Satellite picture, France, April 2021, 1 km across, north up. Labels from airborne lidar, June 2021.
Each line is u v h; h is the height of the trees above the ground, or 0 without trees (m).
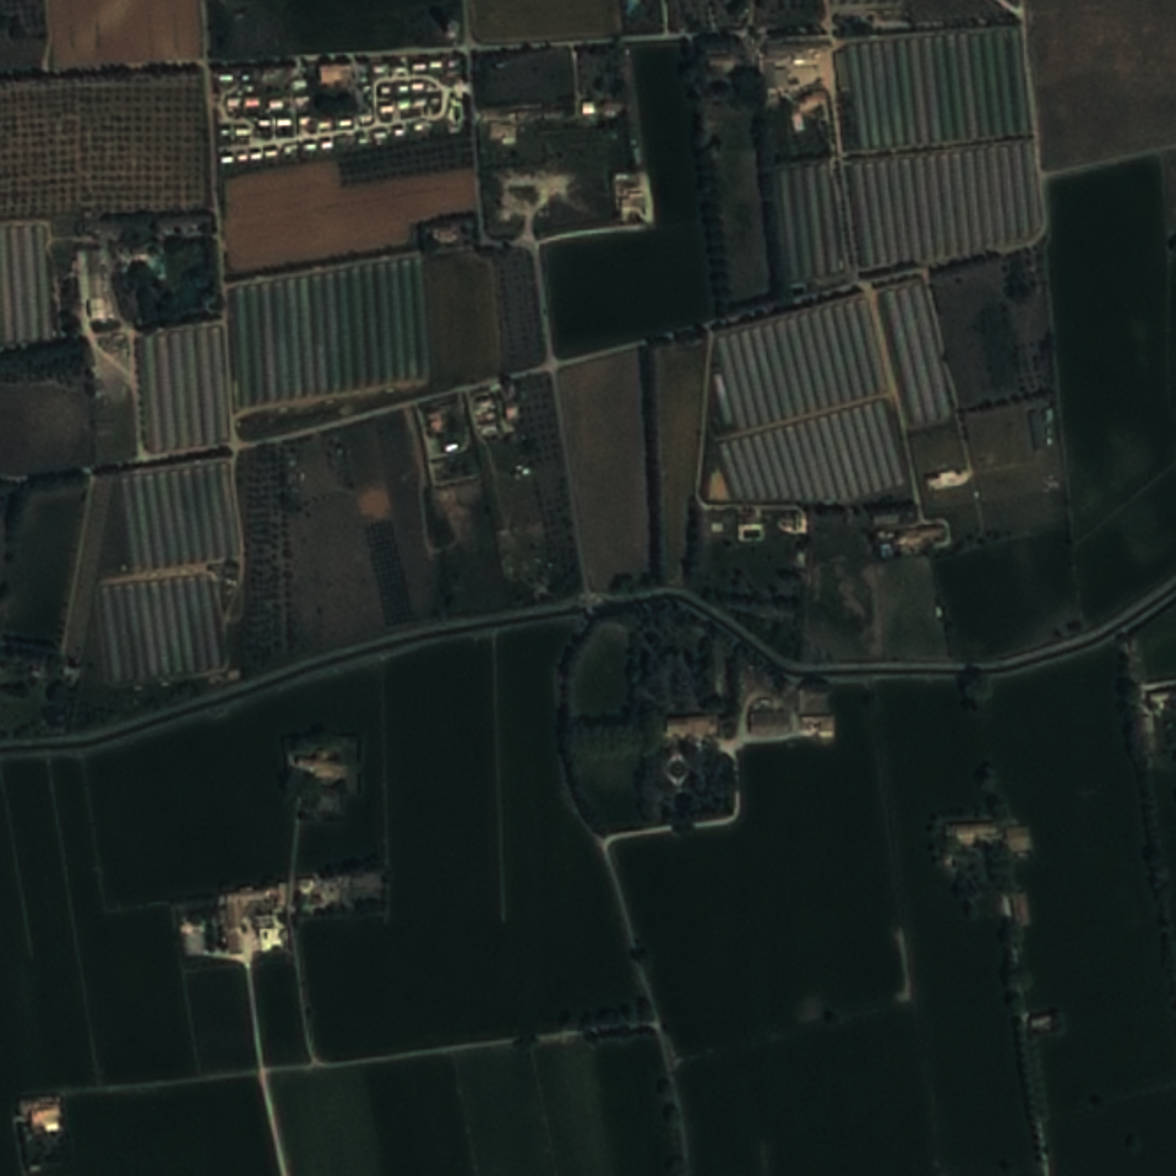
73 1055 0
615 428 0
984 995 0
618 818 0
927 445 0
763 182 11
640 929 0
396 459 0
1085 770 0
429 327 0
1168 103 0
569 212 0
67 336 9
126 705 0
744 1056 0
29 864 0
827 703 0
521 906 0
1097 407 0
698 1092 0
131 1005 0
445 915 0
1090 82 0
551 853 0
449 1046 0
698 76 11
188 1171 0
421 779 0
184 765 0
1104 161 0
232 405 0
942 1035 0
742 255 0
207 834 0
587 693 0
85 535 0
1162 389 0
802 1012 0
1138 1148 11
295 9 0
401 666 0
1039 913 0
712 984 0
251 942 0
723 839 0
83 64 0
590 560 0
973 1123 0
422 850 0
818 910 0
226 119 0
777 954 0
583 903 0
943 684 0
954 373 0
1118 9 0
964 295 0
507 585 0
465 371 0
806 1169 0
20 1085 0
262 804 0
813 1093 0
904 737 0
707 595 12
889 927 0
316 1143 0
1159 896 11
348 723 0
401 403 0
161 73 11
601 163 0
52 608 0
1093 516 0
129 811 0
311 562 0
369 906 10
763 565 0
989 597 0
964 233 0
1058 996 0
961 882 12
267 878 7
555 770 0
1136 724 14
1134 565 0
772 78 0
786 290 13
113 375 0
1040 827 0
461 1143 0
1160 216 0
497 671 0
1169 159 0
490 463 0
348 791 7
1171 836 0
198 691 7
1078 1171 0
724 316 10
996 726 0
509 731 0
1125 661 8
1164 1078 0
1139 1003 0
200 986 0
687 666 15
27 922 0
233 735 0
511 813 0
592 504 0
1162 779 0
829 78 0
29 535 0
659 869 0
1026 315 0
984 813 11
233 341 0
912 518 7
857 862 0
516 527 0
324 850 0
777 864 0
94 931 0
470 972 0
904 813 0
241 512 0
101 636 0
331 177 0
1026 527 0
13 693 10
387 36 0
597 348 0
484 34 0
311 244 0
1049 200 0
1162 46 0
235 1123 0
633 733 23
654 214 0
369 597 0
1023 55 0
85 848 0
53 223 0
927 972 0
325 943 0
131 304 9
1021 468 0
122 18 0
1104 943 0
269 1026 0
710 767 14
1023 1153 0
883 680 0
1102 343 0
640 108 0
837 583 0
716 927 0
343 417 0
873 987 0
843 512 15
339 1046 0
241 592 0
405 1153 0
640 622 11
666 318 0
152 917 0
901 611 0
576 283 0
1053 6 0
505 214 0
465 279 0
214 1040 0
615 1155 0
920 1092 0
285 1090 0
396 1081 0
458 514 0
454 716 0
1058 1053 0
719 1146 0
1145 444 0
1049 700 0
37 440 0
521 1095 0
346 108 9
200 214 6
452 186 0
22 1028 0
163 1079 0
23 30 7
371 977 0
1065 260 0
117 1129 0
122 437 0
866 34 16
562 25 0
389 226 0
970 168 0
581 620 5
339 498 0
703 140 12
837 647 0
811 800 0
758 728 0
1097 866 0
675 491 0
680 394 0
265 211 0
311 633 0
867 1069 0
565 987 0
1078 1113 0
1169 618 0
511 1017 0
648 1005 12
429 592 0
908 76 0
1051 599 0
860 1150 0
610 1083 0
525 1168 0
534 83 0
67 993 0
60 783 0
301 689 0
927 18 0
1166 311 0
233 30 0
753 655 10
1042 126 0
